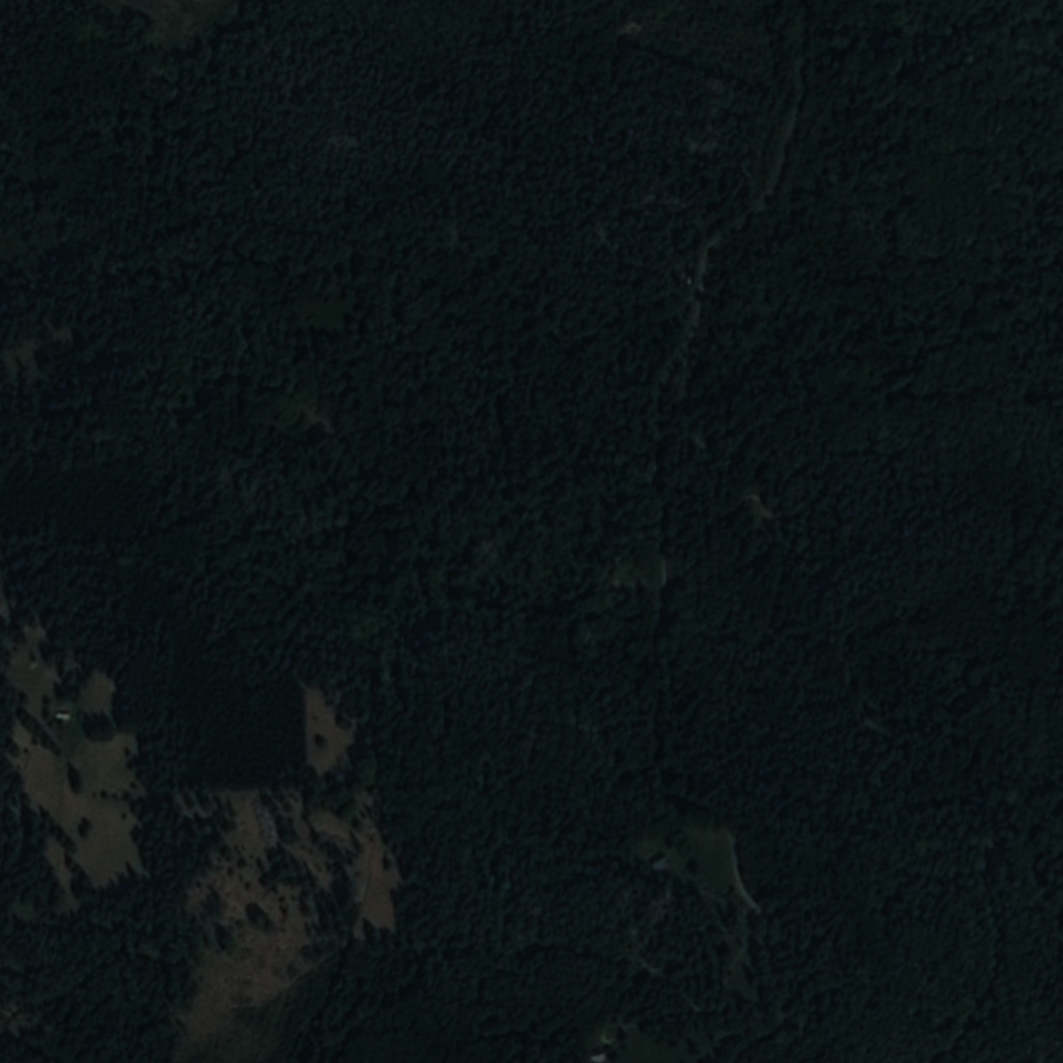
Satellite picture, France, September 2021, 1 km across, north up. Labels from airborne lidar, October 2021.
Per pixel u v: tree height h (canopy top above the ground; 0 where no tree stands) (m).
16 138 21
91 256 19
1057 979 32
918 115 24
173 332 26
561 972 23
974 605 24
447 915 22
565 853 30
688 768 24
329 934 20
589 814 24
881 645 24
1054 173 17
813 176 11
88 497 10
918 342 24
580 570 9
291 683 11
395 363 24
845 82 26
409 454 24
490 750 27
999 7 24
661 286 29
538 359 22
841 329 23
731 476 19
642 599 16
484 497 28
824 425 29
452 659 24
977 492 23
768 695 22
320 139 31
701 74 6
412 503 20
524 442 22
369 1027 13
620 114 29
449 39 23
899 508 38
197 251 25
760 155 7
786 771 31
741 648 24
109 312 27
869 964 29
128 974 20
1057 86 27
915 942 24
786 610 23
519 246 24
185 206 26
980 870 16
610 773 22
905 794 26
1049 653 21
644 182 21
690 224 16
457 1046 14
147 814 20
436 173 26
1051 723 25
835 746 30
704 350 7
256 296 26
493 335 22
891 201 24
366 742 20
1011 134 26
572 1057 14
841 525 30
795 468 31
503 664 34
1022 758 34
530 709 35
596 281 25
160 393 24
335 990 19
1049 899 27
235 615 16
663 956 22
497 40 22
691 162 19
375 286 22
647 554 23
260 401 26
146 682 23
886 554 29
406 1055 11
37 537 20
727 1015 21
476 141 31
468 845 23
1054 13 32
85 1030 16
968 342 21
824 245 20
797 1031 16
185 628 13
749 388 22
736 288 12
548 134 26
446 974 18
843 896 28
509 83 15
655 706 18
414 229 23
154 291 16
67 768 0
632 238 30
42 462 10
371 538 12
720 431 22
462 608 28
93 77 17
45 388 9
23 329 19
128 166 19
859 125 16
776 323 17
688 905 21
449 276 24
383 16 24
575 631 38
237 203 25
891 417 25
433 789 29
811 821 30
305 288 24
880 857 27
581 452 9
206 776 11
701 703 26
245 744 11
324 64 32
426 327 21
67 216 11
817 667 22
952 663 19
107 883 0
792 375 8
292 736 12
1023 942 29
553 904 27
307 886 14
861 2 22
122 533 10
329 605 25
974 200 26
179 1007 21
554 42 29
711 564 28
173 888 25
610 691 34
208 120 18
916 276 23
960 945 29
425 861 22
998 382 22
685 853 20
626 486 24
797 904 26
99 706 0
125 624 13
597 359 18
